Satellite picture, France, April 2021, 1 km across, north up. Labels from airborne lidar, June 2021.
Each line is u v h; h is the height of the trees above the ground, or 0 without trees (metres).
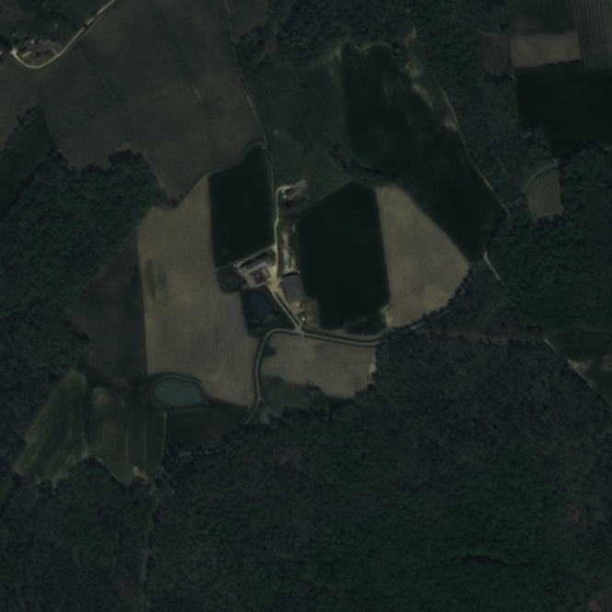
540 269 24
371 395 15
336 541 18
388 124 0
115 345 0
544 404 12
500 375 20
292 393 0
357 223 0
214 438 0
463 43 23
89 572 20
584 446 10
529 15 0
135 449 0
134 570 19
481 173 11
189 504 17
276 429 17
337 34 15
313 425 26
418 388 13
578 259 21
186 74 0
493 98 20
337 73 0
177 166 0
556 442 19
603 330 10
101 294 0
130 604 12
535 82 0
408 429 14
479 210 0
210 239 0
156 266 0
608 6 0
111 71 0
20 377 22
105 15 0
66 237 24
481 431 21
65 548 20
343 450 24
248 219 0
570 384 14
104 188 24
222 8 0
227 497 18
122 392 0
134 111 0
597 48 0
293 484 18
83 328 0
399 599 26
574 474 14
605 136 0
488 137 18
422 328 13
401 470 22
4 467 21
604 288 21
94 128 0
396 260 0
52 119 0
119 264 0
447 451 17
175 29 0
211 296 0
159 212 0
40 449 0
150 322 0
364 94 0
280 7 18
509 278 18
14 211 16
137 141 0
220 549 18
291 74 0
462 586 26
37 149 0
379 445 21
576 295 17
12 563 21
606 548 14
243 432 14
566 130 0
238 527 21
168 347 0
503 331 9
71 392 0
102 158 0
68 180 23
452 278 0
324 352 0
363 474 22
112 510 19
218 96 0
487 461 20
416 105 0
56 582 18
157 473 0
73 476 14
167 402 0
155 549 22
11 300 18
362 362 0
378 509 17
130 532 26
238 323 0
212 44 0
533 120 0
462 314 20
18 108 0
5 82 0
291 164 0
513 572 22
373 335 0
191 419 0
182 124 0
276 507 21
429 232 0
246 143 0
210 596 22
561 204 0
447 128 0
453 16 25
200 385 0
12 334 18
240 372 0
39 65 0
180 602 25
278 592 15
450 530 20
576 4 0
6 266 22
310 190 0
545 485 23
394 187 0
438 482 21
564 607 9
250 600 22
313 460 18
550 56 0
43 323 19
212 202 0
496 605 24
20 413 19
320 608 22
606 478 10
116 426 0
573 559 16
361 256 0
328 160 0
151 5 0
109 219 25
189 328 0
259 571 23
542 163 18
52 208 22
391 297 0
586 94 0
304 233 0
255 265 0
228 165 0
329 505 17
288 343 0
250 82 0
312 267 0
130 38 0
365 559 19
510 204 15
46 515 15
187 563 22
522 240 23
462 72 23
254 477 20
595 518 13
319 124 0
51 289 23
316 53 20
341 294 0
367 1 22
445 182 0
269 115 0
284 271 0
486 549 24
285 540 26
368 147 0
